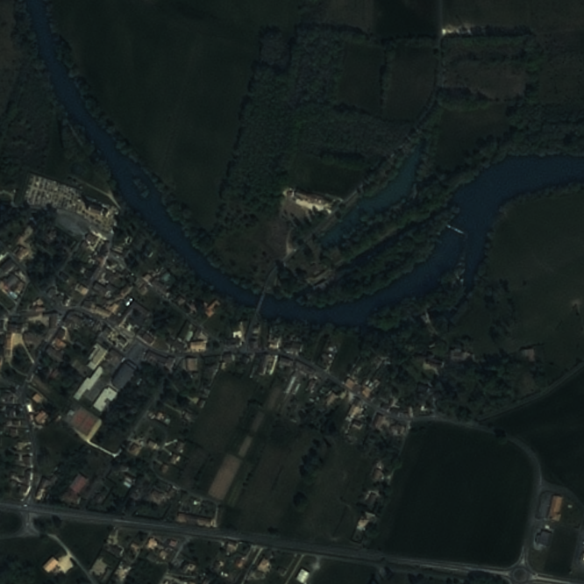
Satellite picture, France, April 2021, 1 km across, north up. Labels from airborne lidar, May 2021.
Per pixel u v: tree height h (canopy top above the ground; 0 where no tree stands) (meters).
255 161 17
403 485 0
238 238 0
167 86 0
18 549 0
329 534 0
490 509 0
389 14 0
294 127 21
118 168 0
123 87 0
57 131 0
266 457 0
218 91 0
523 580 0
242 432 0
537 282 0
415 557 0
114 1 0
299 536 0
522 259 0
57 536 0
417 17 0
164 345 0
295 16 0
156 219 0
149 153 0
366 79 0
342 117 17
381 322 19
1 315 7
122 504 19
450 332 12
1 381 0
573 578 0
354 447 0
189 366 0
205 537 0
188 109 0
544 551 0
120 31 0
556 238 0
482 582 20
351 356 0
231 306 9
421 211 25
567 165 0
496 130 0
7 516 0
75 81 8
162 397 8
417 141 15
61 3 0
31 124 8
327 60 20
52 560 0
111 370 11
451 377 14
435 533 0
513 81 0
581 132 11
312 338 12
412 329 25
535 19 0
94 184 0
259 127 22
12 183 9
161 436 0
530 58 18
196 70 0
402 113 0
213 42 0
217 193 0
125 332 0
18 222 20
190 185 0
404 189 0
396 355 20
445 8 0
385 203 0
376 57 0
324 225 0
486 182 0
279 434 0
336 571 0
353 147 9
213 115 0
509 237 0
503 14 0
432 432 0
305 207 0
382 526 0
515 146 20
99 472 0
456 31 0
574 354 0
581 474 0
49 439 0
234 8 0
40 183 0
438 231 15
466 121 0
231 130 0
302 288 11
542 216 0
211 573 10
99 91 0
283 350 6
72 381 14
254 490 0
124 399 11
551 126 19
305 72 19
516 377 21
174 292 9
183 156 0
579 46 0
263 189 18
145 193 21
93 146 29
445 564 0
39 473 14
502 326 25
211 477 0
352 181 0
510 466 0
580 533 0
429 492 0
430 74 0
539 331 0
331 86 18
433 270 0
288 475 0
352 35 19
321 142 14
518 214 0
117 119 0
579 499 0
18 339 0
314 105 19
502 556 0
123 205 21
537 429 0
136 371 10
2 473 18
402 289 0
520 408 0
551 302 0
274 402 0
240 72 0
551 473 0
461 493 0
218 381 0
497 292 20
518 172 0
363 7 0
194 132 0
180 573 10
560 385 0
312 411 10
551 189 14
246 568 8
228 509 0
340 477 0
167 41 0
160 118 0
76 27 0
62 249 17
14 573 21
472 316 0
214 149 0
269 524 0
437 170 0
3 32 0
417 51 0
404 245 16
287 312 0
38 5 0
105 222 0
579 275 0
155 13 0
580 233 0
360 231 16
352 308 0
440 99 17
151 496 16
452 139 0
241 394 0
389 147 12
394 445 9
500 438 17
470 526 0
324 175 0
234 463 0
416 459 0
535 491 0
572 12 0
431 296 26
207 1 0
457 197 0
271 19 0
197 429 0
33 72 9
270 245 0
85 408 0
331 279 0
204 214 0
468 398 17
